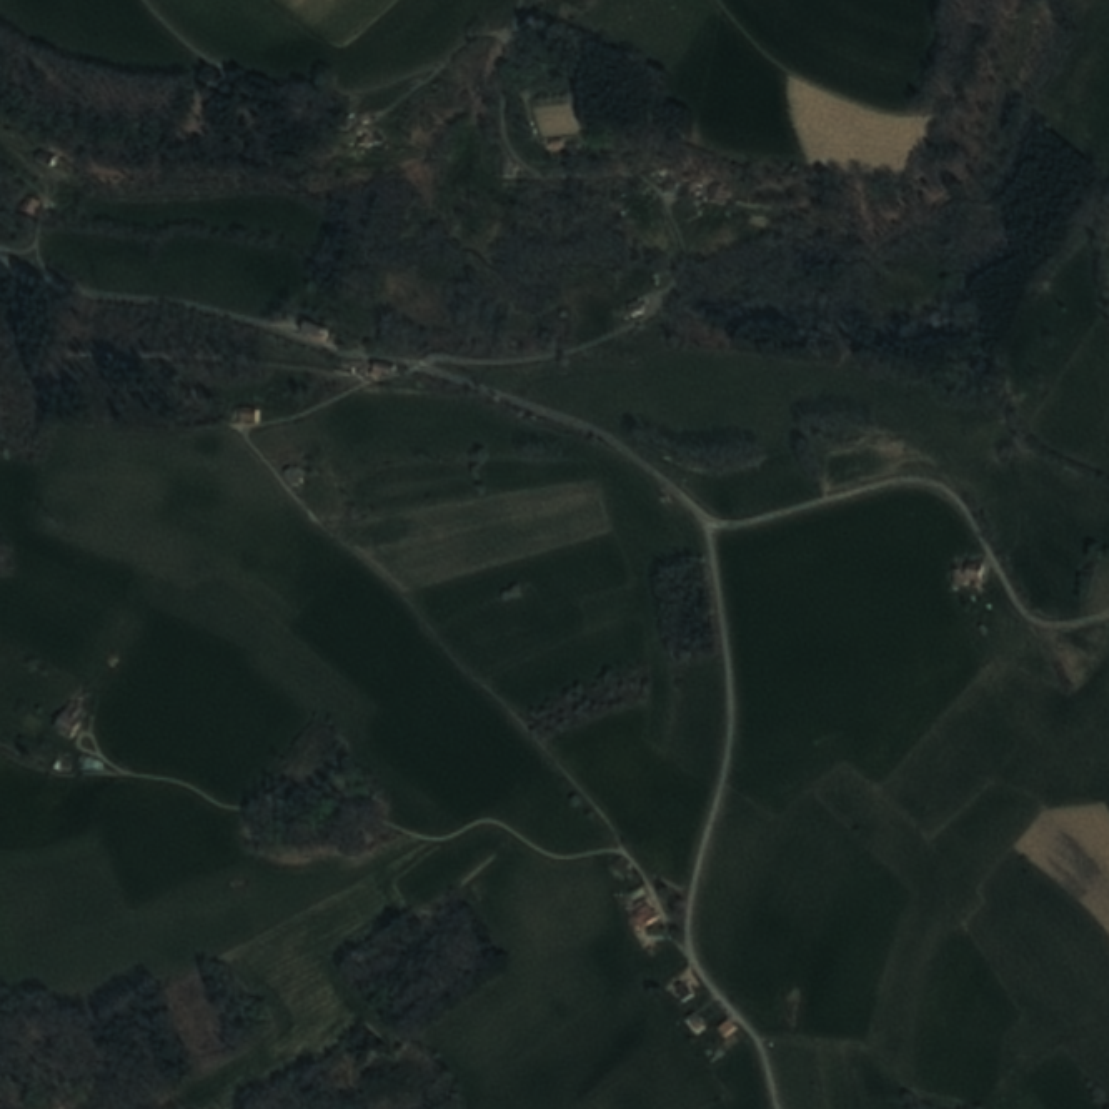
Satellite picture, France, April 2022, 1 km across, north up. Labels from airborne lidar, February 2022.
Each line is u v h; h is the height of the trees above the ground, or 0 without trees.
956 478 0
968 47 33
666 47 0
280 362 0
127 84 31
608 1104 0
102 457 0
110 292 0
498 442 0
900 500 0
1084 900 0
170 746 0
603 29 0
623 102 23
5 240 13
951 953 0
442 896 0
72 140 28
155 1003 29
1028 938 0
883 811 0
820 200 8
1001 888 0
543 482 0
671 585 19
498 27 0
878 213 28
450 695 0
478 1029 0
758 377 0
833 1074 0
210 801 0
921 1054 0
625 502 0
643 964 0
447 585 0
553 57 21
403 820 0
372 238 20
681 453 26
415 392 0
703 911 0
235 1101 0
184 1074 28
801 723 0
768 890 0
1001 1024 0
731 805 0
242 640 0
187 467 0
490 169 0
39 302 31
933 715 0
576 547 0
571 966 0
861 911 0
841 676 0
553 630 0
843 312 20
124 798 0
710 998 0
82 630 0
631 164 10
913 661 0
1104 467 0
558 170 22
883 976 0
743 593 0
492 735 0
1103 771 0
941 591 0
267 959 0
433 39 0
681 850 0
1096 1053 0
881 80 0
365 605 0
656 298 0
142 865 0
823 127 0
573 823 0
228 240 6
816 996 0
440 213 0
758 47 0
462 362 0
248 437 0
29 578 0
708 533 0
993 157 17
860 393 0
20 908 0
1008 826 0
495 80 9
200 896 0
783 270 15
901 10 0
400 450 0
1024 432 10
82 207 16
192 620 0
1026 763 0
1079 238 21
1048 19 0
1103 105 0
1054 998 0
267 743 0
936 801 0
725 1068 0
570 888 0
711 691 0
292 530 0
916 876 0
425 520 0
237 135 19
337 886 0
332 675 0
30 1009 27
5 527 0
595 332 0
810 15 0
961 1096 0
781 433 0
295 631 0
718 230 0
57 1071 27
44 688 0
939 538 0
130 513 0
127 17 0
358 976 26
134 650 0
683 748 0
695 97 0
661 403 0
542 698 0
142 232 16
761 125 0
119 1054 33
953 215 22
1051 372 0
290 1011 0
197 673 0
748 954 0
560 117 0
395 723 0
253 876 0
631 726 0
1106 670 0
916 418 0
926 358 27
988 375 24
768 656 0
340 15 0
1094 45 0
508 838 0
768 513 0
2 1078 28
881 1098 0
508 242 7
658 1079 0
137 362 0
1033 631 0
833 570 0
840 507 0
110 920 0
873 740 0
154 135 28
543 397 0
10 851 0
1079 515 0
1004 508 0
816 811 0
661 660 0
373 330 0
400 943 10
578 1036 0
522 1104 0
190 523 0
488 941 18
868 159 0
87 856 0
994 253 9
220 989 16
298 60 0
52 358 23
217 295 0
